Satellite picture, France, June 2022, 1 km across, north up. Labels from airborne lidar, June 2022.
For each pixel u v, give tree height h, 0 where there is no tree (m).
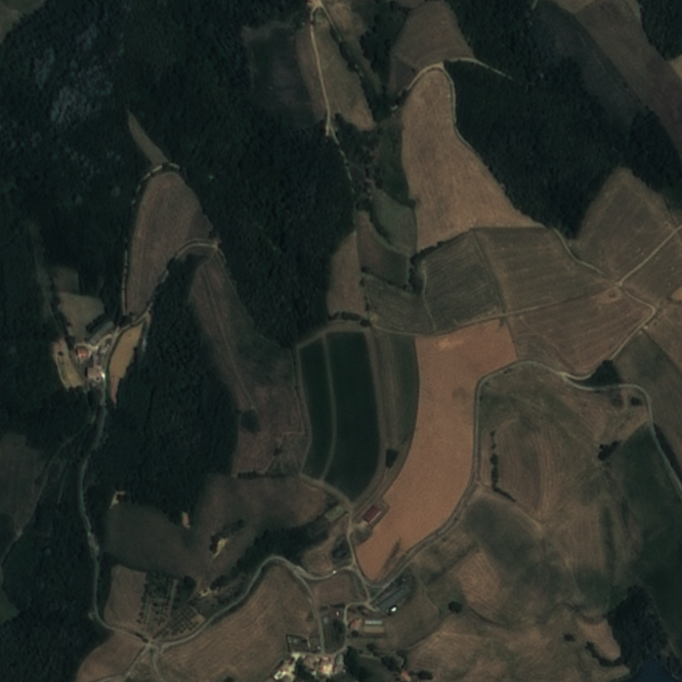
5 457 0
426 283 0
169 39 17
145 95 16
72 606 11
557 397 0
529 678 0
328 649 0
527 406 0
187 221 0
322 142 11
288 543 11
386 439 0
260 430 0
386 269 0
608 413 0
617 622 9
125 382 10
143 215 0
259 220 19
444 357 0
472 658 0
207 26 14
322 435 0
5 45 8
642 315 0
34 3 0
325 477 0
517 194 12
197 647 0
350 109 0
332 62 0
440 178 0
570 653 0
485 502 0
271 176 8
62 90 22
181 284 8
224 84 20
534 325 0
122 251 8
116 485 9
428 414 0
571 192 14
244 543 0
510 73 11
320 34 0
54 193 15
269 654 0
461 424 0
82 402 9
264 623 0
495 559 0
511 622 0
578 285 0
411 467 0
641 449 0
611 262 0
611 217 0
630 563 0
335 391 0
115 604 0
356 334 0
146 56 15
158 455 13
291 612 0
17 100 17
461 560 0
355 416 0
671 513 0
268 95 0
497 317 0
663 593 0
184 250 0
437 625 0
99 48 16
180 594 7
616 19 0
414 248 0
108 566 11
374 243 0
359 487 0
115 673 0
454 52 0
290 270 22
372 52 24
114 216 7
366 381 0
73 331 0
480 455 0
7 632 12
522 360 0
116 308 12
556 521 0
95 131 16
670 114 0
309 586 0
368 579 0
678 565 0
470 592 0
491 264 0
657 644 16
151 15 17
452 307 0
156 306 7
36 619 22
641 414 0
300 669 7
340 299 0
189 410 17
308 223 16
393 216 0
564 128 12
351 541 0
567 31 0
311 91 0
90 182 9
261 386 0
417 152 0
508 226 0
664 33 19
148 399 10
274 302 23
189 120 10
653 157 15
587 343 0
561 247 0
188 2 19
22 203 7
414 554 0
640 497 0
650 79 0
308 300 13
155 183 0
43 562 12
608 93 0
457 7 10
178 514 10
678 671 9
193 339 16
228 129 16
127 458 11
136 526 0
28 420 8
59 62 13
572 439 0
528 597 0
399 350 0
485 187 0
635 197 0
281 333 20
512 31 17
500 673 0
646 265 0
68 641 17
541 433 0
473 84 8
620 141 21
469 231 0
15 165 23
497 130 17
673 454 7
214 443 8
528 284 0
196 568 0
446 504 0
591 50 0
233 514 0
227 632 0
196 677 0
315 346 0
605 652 0
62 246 14
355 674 12
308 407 0
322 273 14
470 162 0
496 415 0
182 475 12
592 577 0
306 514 0
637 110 0
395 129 0
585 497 0
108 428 5
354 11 0
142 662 0
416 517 0
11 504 0
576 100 16
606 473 0
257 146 26
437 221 0
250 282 15
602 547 0
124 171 11
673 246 0
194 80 11
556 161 18
